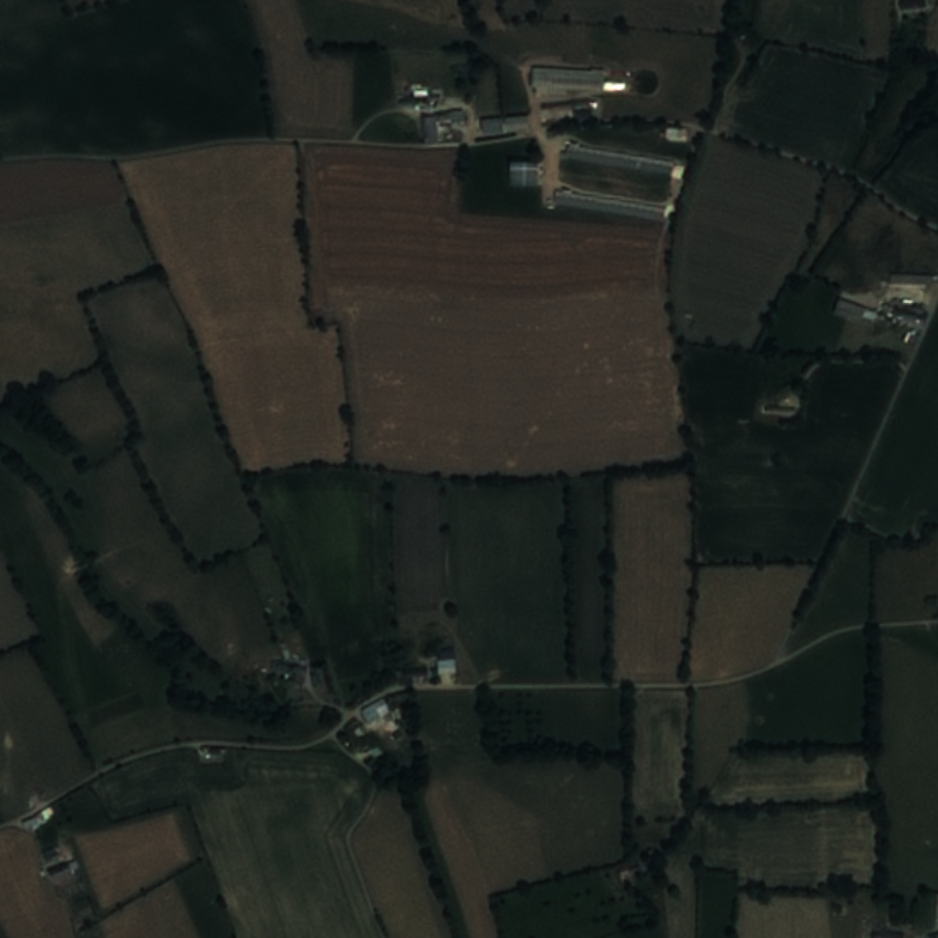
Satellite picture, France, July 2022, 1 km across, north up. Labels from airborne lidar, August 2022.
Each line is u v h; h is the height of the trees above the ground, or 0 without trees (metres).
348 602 0
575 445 0
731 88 0
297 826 0
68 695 0
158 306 0
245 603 0
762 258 0
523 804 0
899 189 0
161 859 0
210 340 0
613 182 0
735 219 0
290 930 0
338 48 12
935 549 0
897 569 0
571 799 0
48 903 0
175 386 0
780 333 0
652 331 0
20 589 9
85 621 0
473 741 0
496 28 0
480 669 0
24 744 0
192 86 0
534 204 0
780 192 0
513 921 0
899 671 0
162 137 0
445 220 0
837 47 0
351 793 0
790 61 0
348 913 0
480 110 0
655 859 13
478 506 0
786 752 13
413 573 0
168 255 0
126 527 0
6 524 0
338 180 0
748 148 9
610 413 0
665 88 0
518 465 0
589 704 0
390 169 0
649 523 0
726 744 0
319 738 0
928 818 0
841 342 0
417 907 0
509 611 0
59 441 7
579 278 0
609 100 0
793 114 0
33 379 0
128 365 0
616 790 0
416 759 5
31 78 0
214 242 0
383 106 0
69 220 0
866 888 7
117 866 0
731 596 0
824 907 0
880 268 0
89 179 0
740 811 14
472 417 0
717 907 0
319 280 0
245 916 0
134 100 0
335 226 0
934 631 0
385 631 0
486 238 0
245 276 0
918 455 0
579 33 0
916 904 6
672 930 0
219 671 16
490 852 0
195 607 0
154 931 0
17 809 0
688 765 9
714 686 0
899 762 0
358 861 0
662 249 0
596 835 0
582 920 0
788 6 0
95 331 12
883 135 0
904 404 0
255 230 0
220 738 0
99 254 0
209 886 0
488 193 0
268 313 0
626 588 0
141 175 0
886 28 0
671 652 0
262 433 0
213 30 0
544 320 0
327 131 0
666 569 0
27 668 0
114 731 0
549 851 0
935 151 0
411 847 0
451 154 0
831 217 0
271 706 18
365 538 0
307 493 0
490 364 0
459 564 0
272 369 0
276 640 9
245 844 0
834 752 10
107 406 0
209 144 0
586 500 0
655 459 0
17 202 0
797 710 0
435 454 0
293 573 0
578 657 11
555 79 0
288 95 0
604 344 0
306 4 0
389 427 0
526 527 0
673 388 0
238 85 0
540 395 0
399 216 0
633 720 17
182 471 0
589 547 0
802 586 0
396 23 0
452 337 0
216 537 0
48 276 0
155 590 0
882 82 0
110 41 0
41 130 0
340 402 0
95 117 0
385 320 0
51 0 0
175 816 0
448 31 0
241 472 8
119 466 0
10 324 0
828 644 0
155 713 0
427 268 0
